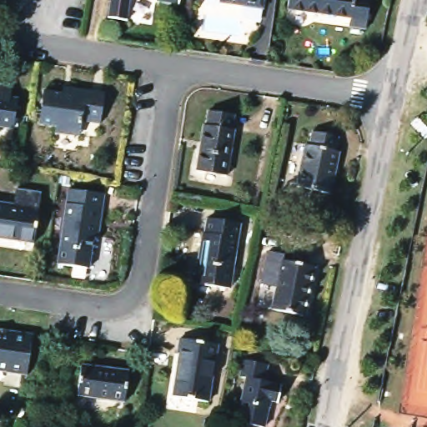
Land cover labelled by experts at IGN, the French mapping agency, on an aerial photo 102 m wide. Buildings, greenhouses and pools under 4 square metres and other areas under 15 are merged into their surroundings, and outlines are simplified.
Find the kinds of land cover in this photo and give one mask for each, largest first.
<instances>
[{"label":"impervious surface","instance_id":"1","mask_svg":"<svg viewBox=\"0 0 427 427\"><path fill-rule=\"evenodd\" d=\"M85 5V0H40L32 17L25 18V22L30 23L33 30H37L38 47L43 48L42 57H38L35 62L48 63L52 67H55V62L63 63L65 80L73 78L83 82L102 83L105 73L108 77L128 75L133 78V95L128 103L130 123L127 130L120 183L127 187L140 188L142 197L138 200L122 198L118 197L113 188L108 190V207H130L140 210L138 225H130L132 242L125 272L127 282L113 292H107L87 287L77 290L67 284L35 280H30V284L0 282V319L13 320L18 324L38 325L42 329L57 324L63 317H87V337L105 335L108 340L115 342H132L133 340L135 344L157 355L155 364H157L167 365L172 369L168 380L167 409L195 414L198 407L197 399L195 395H175L173 392L177 382L178 350L183 335L188 332L185 327L168 330L163 339L162 335L152 332V284L160 272V234L168 225L170 219V198L173 190L182 143H187L188 148L195 147L190 162L192 180L225 187L232 183L229 173L198 170V157L202 148L200 142L182 137L187 103L193 93L200 90L212 92V85H222L250 92L254 90L259 92V97L262 98H279L280 102L289 100L294 103H305L317 112L320 108H345L347 117L354 122L355 130L345 133L334 122H325L317 125L315 132H325V147L342 152L339 173L317 180V187L325 188V193L330 212L339 220L337 225H350L357 232L352 242L349 255L342 265L344 280L339 304L335 305L334 309L330 319H322V327L327 330L324 339L327 347L329 355L319 367L317 380H305L299 387L319 400L317 409L312 414L309 410H302V427H345L349 422L347 417L350 407L357 402H367V394H364L362 389L367 380L360 372L362 357L360 342L365 324L367 320L374 290L387 289V285L380 284L374 277L377 274L375 265L380 252L377 230L382 215L385 188L389 182L390 162L394 157L400 118L404 115L405 93L420 92V97L427 98V0H399L394 40L389 52L382 57L374 67L357 77H340L335 72L299 67L294 63L265 62L272 42L274 18L269 17L260 7H245L239 3H225L222 0H203L198 8V20L202 25L195 32V37L247 43L252 32L259 28V23L264 25L265 33L259 40L255 38V42L252 43V47L257 50L252 58L200 52L190 48L177 52L163 53L160 50L122 47L115 43L102 42L98 38L95 42H90L87 35H80L77 30L82 18L80 7ZM354 158L359 160L360 170H364L362 185L359 182H347L345 178V167L350 165ZM157 3V0H135L133 22L140 23L152 25ZM299 23H329L344 27L350 23V17L299 10L294 8L290 13ZM98 122L88 123L85 133L78 138L72 133L58 135V148L72 150L75 147H87L90 137L97 133ZM304 145H292L289 168L284 180L285 192H289L302 190V185L295 175H299L302 167ZM410 240H414V267L410 277L419 285V290L415 304L417 314L412 330L414 339L405 360L407 374L402 404L407 410L404 415H400L384 409L380 404L374 405L370 409V415L375 419L372 427H427V197L419 235L412 232L409 237ZM213 213V212L212 208H205L202 212V225L190 239L178 244V250L185 254L195 252L207 230L208 217ZM332 240L329 234L297 235L292 232L289 235L285 234L284 229L277 230L272 239L262 240V252L269 254L270 250L274 249L275 252L285 255L287 250H312V245L324 249L325 242ZM0 245H2V247H8V249L18 250H33V242H22V240L15 239L0 240ZM112 260V242L103 239L100 257L95 264H57V269L62 270L63 274H70L77 279H107ZM22 377L20 374L8 372L0 377V419L12 415H25V399L17 394Z\"/></svg>","mask_w":427,"mask_h":427},{"label":"herbaceous vegetation","instance_id":"2","mask_svg":"<svg viewBox=\"0 0 427 427\"><path fill-rule=\"evenodd\" d=\"M382 3L374 23L365 25L362 32L350 23L344 27L329 23H299L295 25L294 33L285 40V55L302 53L307 48V52L319 53L325 62H329L330 55L337 52L352 55L355 48H375L382 57L389 52L394 40L399 0H380ZM140 23L133 22L127 25L125 22H118L122 40L143 43L155 42V35L138 33ZM57 78L65 80L63 63L55 62V67H52L48 63L35 62L32 65V70L22 77L20 83L23 88H37V115L32 118V135L40 155V167L92 173L108 180H113V173L95 170L92 168V160L103 143H115L118 140V130H127L130 123L128 103L133 95V78L128 75L108 77L105 73L102 83L113 85L118 93L108 117H100L98 122L97 133L90 137L87 147H75L72 150L58 148V135L55 127L40 125L38 122L42 117V107H47L43 97L48 85ZM247 95L250 105L257 110L262 98L259 97V92L254 90L250 92L222 85H212V92L200 90L193 93L187 103L182 137L200 142L203 137V125L207 122V113L210 110L239 113L240 110V97ZM427 197V98L420 97V92L405 93L404 115L400 118L394 157L390 162L389 182L385 188L382 215L377 230L380 252L375 265L377 274L374 277L380 284L387 285V289L374 290L367 320L375 317L382 322L394 320V327L380 335L377 330H372L365 324L360 342L362 357L372 360L377 365L374 377L367 380L362 389L364 394H367V402H357L350 407L347 417L349 422L345 427H372L375 419L370 415V409L374 405L380 404L384 409L400 415H404L407 410L402 404L407 374L405 360L414 339L412 330L417 314L415 304L419 290V285L410 277L414 267V240H410L409 237L412 232L419 235ZM282 122L289 125V133L275 190L284 197L289 192H285L284 180L289 168L292 145H304L309 143V132H315L317 125L325 122H334L345 133L355 130L354 122L347 117L345 108H320L317 112L305 103H294L292 118L282 117ZM275 140L272 127L262 135L244 132L240 140L239 162L229 173L232 183L225 187L192 180L190 162L195 147L188 148L187 143H182L173 190L222 200L237 197L240 200H249V192L242 190L235 182H252L255 183L257 190H260L265 178V167L269 162L270 145ZM8 168H0V190L8 193L17 192L18 187L42 190L35 234L42 237L50 219L57 220V212L62 210L65 198L63 187L72 185L78 190L90 192H103L105 188L100 182H68V177L42 175L40 170L33 177V182L18 185L10 180ZM215 219H225L229 220L230 224L237 222L249 227V217L242 213L240 208L232 207L213 212V213ZM168 225L172 229L185 230L190 239L202 225V212L187 210L182 215L170 219ZM45 259L42 252L33 245V250H18L8 249V247H2V245H0V282L30 284V280H35L38 274L37 265L42 264ZM172 264L165 269L160 267V272L163 275H175L182 279L185 285L187 297L183 307V320L180 324H173L162 314H152V332L162 335L163 339L168 330L185 327L188 320L192 319L193 309L197 305L198 300L205 294V284L202 282L203 265L200 264L195 252L185 254L178 250L167 252ZM87 317H63L57 324L42 329L43 335H48L53 344L67 345L70 349L87 347L92 359H122L132 342H115L108 340L105 335L87 337ZM242 330L254 332L255 339L262 340L265 337V324L262 320L242 322ZM172 369L167 365L157 364L153 369L152 389L145 392L147 400L155 405L158 414H162V417L155 420L150 427H203L207 417L195 414L167 409L168 380ZM102 420L107 424L120 419L123 410L112 405L107 410H100Z\"/></svg>","mask_w":427,"mask_h":427},{"label":"building","instance_id":"3","mask_svg":"<svg viewBox=\"0 0 427 427\"><path fill-rule=\"evenodd\" d=\"M135 0H110V8L105 13V18L118 22H125L127 25L133 22ZM182 0H157V3L172 5ZM225 3H239L245 7H260L262 0H222ZM299 10L350 17V23L362 32L365 25L374 23L382 3L380 0H294ZM118 93L113 85L102 83L83 82L73 78L65 80L57 78L48 85L43 97L47 107H42V117L38 122L40 125L55 127L58 135L72 133L78 138L85 133L88 123L98 122L100 117H108ZM27 88H23L20 83L5 87L0 83V128L8 127L12 130L18 127L17 115L23 117L27 112ZM245 122L240 110L239 113L210 110L207 113V122L203 125V137L200 142L202 148L198 157V170L229 173L239 162L240 140L244 132ZM302 167L299 175H295L302 185V190L307 198L312 197L314 190L317 193H325V188L317 187V180L339 173L342 152L325 147V132H309V143L304 145ZM65 198L62 210L57 212V264H95L100 257L103 239L107 230L108 207V190L105 188L103 192H90L78 190L72 185L63 187ZM42 190L18 187L17 192L8 193L0 190V240L15 239L22 240V242H33L35 234ZM249 227L237 222L230 224L229 220L225 219H215L213 213L208 217L207 230L195 252L200 264L203 265L202 282L205 284L229 287L240 277L245 235ZM327 260L324 249L312 245V250H287L285 255L275 252L274 249L270 250L269 254L262 252L254 294L250 300L245 299V304L249 307L264 305L267 312L275 309L279 314H285L284 317L285 322L307 330L312 342L324 339L327 330L322 327V319H330L334 309L322 299V282L325 279ZM43 335L42 329L38 325L18 324L13 320L0 319V377L8 372L20 374L22 377L37 364L40 337ZM225 342L213 344L203 339H187L183 335L178 350L177 382L173 392L175 395H195L197 399H212L213 395L217 394L220 370L225 364ZM242 375H239V387L240 402L250 405V425L254 422L272 420L277 392L287 394L295 379L282 374L279 365L270 364L264 354H249L244 367L240 369ZM140 374L122 359H92L82 365V375L77 377V389L78 395H85L100 410H107L112 405L123 410L125 405L132 404L133 409L137 410L138 407H142L143 402L135 394Z\"/></svg>","mask_w":427,"mask_h":427},{"label":"brushwood","instance_id":"4","mask_svg":"<svg viewBox=\"0 0 427 427\"><path fill-rule=\"evenodd\" d=\"M40 0H0V7L8 5L10 13L17 15L13 47L17 57L32 65L35 62L38 57H42L43 48L38 47L37 30H33L30 23L25 22V18L32 17ZM95 0H85V5L80 7L82 18L77 30L80 35H87L90 32ZM203 0H182L172 5L157 3L152 25L140 23L138 33L155 35V42L143 43L122 40L118 22L105 18L100 25L98 38L102 42L115 43L122 47L160 50L163 53L177 52L173 45L168 43L167 28L172 27L173 18L177 15L185 22L182 33L188 42L192 43L190 48L200 52L252 58L257 50L252 47V43L255 42V38L259 40L265 33L264 25L259 23V28L252 32L247 43L195 37V32L202 25L198 20V8ZM269 17L274 18L272 42L265 62L294 63L299 67L335 72L340 77H357L374 67L382 57L375 48H355L352 55L337 52L330 55L329 62H325L319 53L307 52V48L302 53L285 55V40L294 33L295 25L299 23L290 13L294 8L299 10L294 0H262L260 7ZM27 112L23 117L17 115L18 127L12 130L8 127L0 128V148L7 147L8 153L12 155H25V167L28 168V175L33 177L40 170L42 175L68 177V182H100L105 188L108 190L113 188L118 197L122 198L138 200L142 197L140 188L127 187L120 183L127 130H118V140L115 143L117 158L113 163V180H108L92 173L40 167V155L32 135V118L37 115V88H27ZM240 110L245 122L254 117L257 110L250 105L247 95L240 97ZM294 103L289 100L280 102V112L275 117L272 127L275 140L270 145L269 162L265 167V178L260 190H257L255 183L252 182H235L242 190L249 192V200H240L237 197L222 200L173 190L170 198V219L182 215L187 210L202 212L205 208H212L213 212L232 207L240 208L242 213L249 217V227L245 235L240 277L229 287L234 289L232 297L235 302V309L232 310L229 319H212L210 305H197L193 309L192 319L188 320L185 327L188 332L183 335L187 339H203L213 344L225 342V364L229 370L225 394L219 407L213 410L215 414L222 415L227 420H234L239 427H250V405L240 402L239 387V375H242L240 369L244 367L249 354L245 350L232 349V335L242 330V322L240 310L244 309L245 304V299L250 300L254 294L262 252V240L272 239L277 230L284 229L285 234L289 235L292 232L289 227L277 224L274 215H270V200L275 197V190L289 133V125L282 122V117L292 118ZM345 178L347 182H359L362 185L364 170H360L359 160L354 158L350 165L345 167ZM140 210L130 207H108L107 230L103 239L112 242V260L107 279H77L70 274H63L62 270L57 269V220L50 219L42 237L35 234L33 242V245L42 252L45 259L42 264L37 265L38 274L35 280L67 284L77 290L87 287L107 292H113L127 282L125 272L132 242L130 225H138ZM352 242L349 239H339L335 244L340 247L337 262L334 264L327 260L325 279L322 282V299L334 309L335 305L339 304L344 280L342 265L349 255ZM264 354L270 364L279 365L282 374L295 379L297 375L304 374L305 380H317L319 367L329 355L327 347L319 350L309 349L300 357L279 355L270 349L265 337L262 340L255 339L252 354ZM157 364H155L148 367V374H140L135 394L143 402L147 400L145 392L152 389L153 369ZM302 410L290 405L282 427H302Z\"/></svg>","mask_w":427,"mask_h":427},{"label":"deciduous trees","instance_id":"5","mask_svg":"<svg viewBox=\"0 0 427 427\"><path fill-rule=\"evenodd\" d=\"M17 15L10 13L8 5L0 7V83L5 87L20 83L22 77L32 70V65L17 57L13 47ZM185 22L177 15L173 18L172 27L167 28L168 43L173 45L177 52L190 48L192 43L188 42L182 33ZM117 158L115 143H103L92 160V168L95 170L113 173V163ZM0 168H8L10 180L18 185L33 182V177L28 175V168L25 167V155H12L8 153L7 147L0 148ZM270 215H274L277 224L289 227L292 232L297 235L329 234L332 240L335 244L339 239H349L352 242L357 232L350 225H337L339 220L330 212L325 193H317L314 190L312 197L307 198L302 190L289 192L284 197L275 190V197L270 200ZM190 239L185 230L172 229L168 225L160 234V267L165 269L172 264L167 252L178 250V244ZM187 297L185 285L182 279L175 275H163L160 272L152 284V314H162L173 324H180L183 320V307ZM270 349L279 355L300 357L309 349L319 350L327 347L324 339L312 342L307 330L285 322L284 317L275 324H265V337ZM365 324L372 330H377L380 335L394 327V320L382 322L375 317L367 320ZM255 339L254 332L242 330L232 335V349L245 350L249 354H252ZM92 359L87 347L70 349L67 345L53 344L48 335H43L40 337L37 364L22 377L17 394L25 399V415H12L0 419V427H150L155 420L162 417V414H158L155 405L147 400L143 402L142 407H138L137 410L133 409L132 404L125 405L123 410L120 419L107 424L102 420L100 410L85 395H78L77 389V377L82 375V365ZM157 355L135 344L133 340L132 342L122 359L140 374H148V367L155 364ZM377 365L372 360L362 357L360 372L367 380L374 377ZM319 400L299 387L294 399L290 400V405L302 410H309L312 414L317 409ZM203 427H239L234 420H227L222 415L215 414L213 410L207 417Z\"/></svg>","mask_w":427,"mask_h":427},{"label":"pervious surface","instance_id":"6","mask_svg":"<svg viewBox=\"0 0 427 427\"><path fill-rule=\"evenodd\" d=\"M110 8V0H95L90 32L87 35L90 42H95L98 38L100 25L105 18V13ZM280 102L279 98H262L257 110L254 117L245 122L244 132L262 135L272 127L275 117L280 112ZM340 247L335 244L332 240L325 242L324 249L327 260L334 264L337 262ZM234 289L229 287L205 284V294L198 300L197 305H210L212 319H229L232 310L235 309V302L232 297ZM242 322L262 320L265 324H275L284 317L285 314H279L275 309L267 312L264 305L249 307L245 304L244 309L240 310ZM229 370L225 364L220 370L217 394L213 395L212 399H197L198 407L195 414L207 417L213 410L219 407L225 394ZM305 380L304 374L297 375L295 379L287 394L277 392L272 420L254 422L250 425V427H282L290 405V400L294 399L299 387Z\"/></svg>","mask_w":427,"mask_h":427}]
</instances>
